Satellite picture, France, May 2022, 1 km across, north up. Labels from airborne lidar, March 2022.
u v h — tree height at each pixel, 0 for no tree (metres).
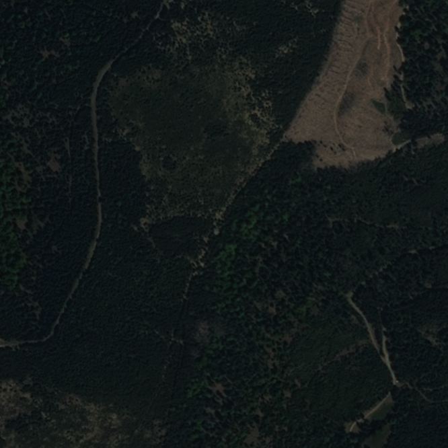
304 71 9
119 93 0
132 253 8
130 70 11
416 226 6
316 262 26
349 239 13
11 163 19
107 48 16
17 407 0
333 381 7
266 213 27
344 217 6
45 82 9
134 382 9
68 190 9
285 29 11
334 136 0
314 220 9
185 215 7
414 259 33
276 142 8
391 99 23
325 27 10
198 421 21
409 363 10
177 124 0
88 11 13
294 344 8
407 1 22
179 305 10
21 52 17
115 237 11
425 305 23
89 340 13
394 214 6
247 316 29
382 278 10
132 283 7
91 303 11
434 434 13
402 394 19
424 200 16
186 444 17
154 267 11
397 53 0
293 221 30
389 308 20
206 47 7
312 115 0
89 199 12
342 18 0
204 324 21
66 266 13
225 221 10
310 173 14
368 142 0
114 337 11
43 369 9
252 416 8
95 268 10
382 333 11
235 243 21
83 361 7
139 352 11
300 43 7
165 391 8
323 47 11
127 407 6
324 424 8
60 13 10
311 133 0
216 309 17
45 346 16
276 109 6
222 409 23
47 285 14
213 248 12
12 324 17
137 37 18
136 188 15
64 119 14
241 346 24
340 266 28
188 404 16
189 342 14
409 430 14
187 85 0
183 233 14
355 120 0
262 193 24
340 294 10
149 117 0
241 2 10
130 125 7
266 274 29
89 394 5
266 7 9
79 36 20
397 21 0
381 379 8
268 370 23
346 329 29
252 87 8
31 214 18
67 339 12
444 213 8
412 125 21
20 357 12
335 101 0
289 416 7
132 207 16
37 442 0
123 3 17
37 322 17
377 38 0
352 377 6
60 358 11
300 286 7
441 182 6
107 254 12
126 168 14
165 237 12
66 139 8
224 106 0
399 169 6
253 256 23
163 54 9
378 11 0
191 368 21
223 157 0
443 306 25
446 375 8
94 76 12
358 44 0
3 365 12
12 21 13
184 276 8
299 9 9
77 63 14
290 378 6
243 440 7
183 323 12
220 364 29
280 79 8
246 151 0
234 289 24
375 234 7
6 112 15
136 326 13
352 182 8
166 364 10
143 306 9
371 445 0
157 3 17
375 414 0
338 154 0
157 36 9
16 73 12
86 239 13
